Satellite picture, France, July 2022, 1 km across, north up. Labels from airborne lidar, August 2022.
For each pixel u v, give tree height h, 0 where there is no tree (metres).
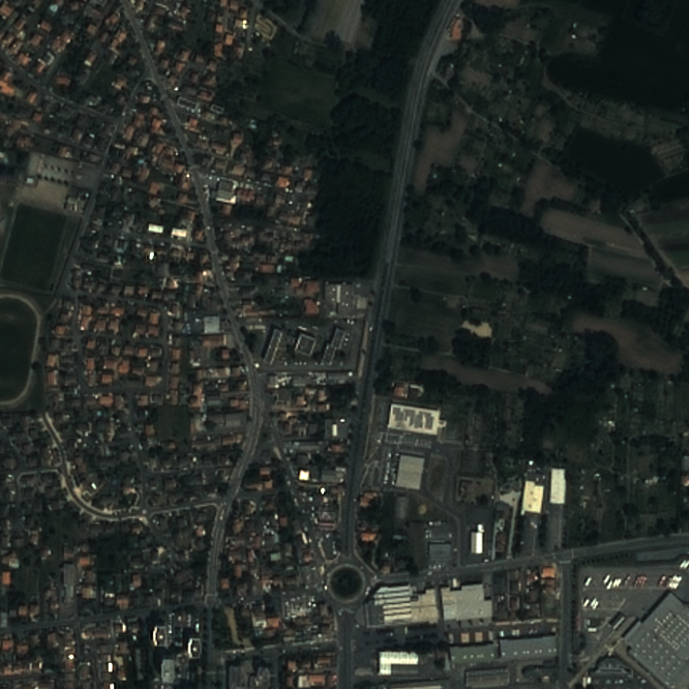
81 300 7
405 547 13
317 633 0
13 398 0
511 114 0
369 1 14
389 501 0
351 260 13
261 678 0
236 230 0
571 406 14
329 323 0
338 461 7
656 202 11
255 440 0
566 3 0
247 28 0
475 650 0
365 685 9
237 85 7
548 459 6
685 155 0
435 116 0
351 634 0
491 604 0
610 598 0
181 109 0
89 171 0
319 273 12
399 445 0
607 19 0
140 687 13
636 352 0
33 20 0
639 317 14
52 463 0
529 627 0
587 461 0
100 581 8
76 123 7
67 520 0
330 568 0
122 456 0
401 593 0
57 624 0
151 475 0
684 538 0
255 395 0
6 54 0
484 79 0
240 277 0
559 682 0
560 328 6
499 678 0
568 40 0
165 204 8
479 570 0
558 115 7
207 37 0
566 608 0
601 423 0
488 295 0
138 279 7
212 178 0
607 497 0
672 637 0
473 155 0
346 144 14
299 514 5
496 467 9
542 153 6
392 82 25
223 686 11
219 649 12
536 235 26
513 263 0
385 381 9
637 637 0
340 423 0
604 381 24
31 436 0
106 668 0
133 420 0
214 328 0
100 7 7
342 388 13
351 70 7
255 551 9
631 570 0
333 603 0
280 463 6
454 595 0
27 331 0
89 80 0
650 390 0
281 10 9
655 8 17
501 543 0
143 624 14
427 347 15
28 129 0
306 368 0
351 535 0
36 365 9
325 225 17
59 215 0
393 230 0
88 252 8
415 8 17
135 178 6
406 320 0
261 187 0
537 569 6
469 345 16
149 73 0
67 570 0
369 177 9
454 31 0
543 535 8
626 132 0
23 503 6
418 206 14
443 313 0
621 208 7
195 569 9
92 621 0
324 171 8
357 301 0
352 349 0
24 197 0
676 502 0
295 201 0
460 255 16
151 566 0
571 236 0
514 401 0
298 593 0
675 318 10
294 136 10
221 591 8
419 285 0
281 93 0
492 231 23
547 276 13
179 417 0
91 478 0
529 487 0
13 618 7
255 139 9
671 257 0
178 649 10
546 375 0
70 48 8
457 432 0
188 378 7
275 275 6
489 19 25
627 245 0
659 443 6
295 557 10
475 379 0
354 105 18
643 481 6
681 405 0
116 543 0
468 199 9
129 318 7
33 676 0
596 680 0
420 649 12
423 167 0
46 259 0
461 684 0
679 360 0
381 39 13
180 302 8
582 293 9
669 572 0
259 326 0
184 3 7
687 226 0
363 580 0
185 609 7
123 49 7
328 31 0
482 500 12
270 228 0
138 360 9
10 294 0
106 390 0
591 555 0
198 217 9
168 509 0
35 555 6
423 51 0
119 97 0
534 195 0
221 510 0
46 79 0
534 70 0
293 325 0
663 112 0
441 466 0
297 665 7
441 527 0
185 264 6
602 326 0
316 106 0
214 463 6
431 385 13
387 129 14
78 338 0
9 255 0
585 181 9
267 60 11
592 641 0
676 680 0
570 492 0
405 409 0
